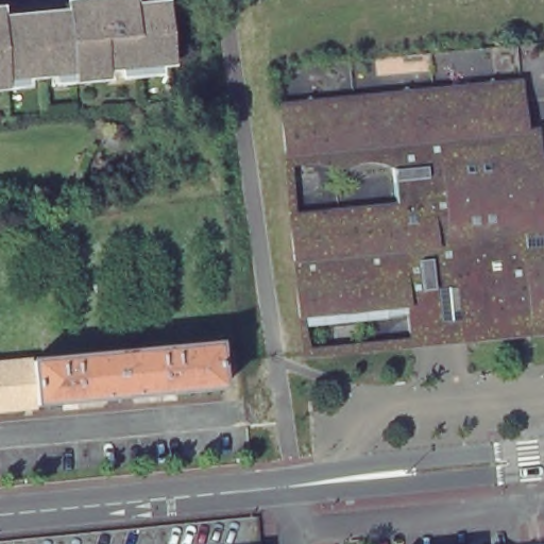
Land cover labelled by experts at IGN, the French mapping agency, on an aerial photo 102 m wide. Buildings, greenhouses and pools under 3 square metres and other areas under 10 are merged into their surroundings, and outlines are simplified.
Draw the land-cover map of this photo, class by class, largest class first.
<instances>
[{"label":"impervious surface","instance_id":"1","mask_svg":"<svg viewBox=\"0 0 544 544\"><path fill-rule=\"evenodd\" d=\"M0 4H9L15 13H23L64 9L68 6V0H0ZM244 11L242 0H225L219 26V32L225 36L221 40L223 55L225 66L230 68L228 89L234 106L238 115V134L234 140L238 145L240 181L253 249V283L259 317V340L264 342V359L257 372L261 374L264 385L270 389L272 410L268 414V421H244L242 395L234 402H227L221 389L187 391L179 393V397L162 395V391H140L119 400L100 397L96 404L98 408L64 410L60 404H49L32 412L0 414V544H544V366H536L531 361L523 370L519 378L508 383L499 380L493 374H476L468 370V351L463 342L414 346L412 355L414 376L395 380L389 387L380 383L351 385L346 372H319L308 368L302 359L285 357L287 332L276 304L270 264V240L264 219V200L253 145V128L249 119L251 89L244 85L236 30L240 13ZM291 376H302L315 380L336 383L344 400V406L338 408L334 414L319 412L308 417L312 453L308 457H300L295 444V419L289 380ZM506 414H510L512 421H516L523 427L521 438H502L499 425ZM393 419L410 436V440L404 446H391L385 440V429ZM261 429L268 431L270 444L264 457L259 461H253V455L244 448V442H249V438L253 436H259ZM206 451L217 453L219 465L210 470H200L198 465H191V461ZM172 455L183 459L181 476L166 474L164 459ZM134 457H151L155 463V474H151L149 478L132 476L125 463ZM91 465H98L104 478L60 480L53 476L57 470ZM536 51V45L531 43H525L523 49L493 47L448 53H442L434 45L419 55L376 60V66L370 62L357 64L355 68L332 66L323 70L315 66L300 70L298 77H293L291 83L283 89L281 100H332L370 94L425 91L438 87L459 89L482 83L521 81L525 85L531 128L540 130L544 147V60H529V53ZM353 172L346 174V179L355 181L357 185V189L351 196L329 193L323 189V185L319 181V174L310 166L293 168V176L298 208L300 213H321L393 204L395 198L391 193V164L359 162L351 168ZM410 336L406 332L402 317L376 321L374 334L363 336L366 342L404 340Z\"/></svg>","mask_w":544,"mask_h":544},{"label":"building","instance_id":"2","mask_svg":"<svg viewBox=\"0 0 544 544\"><path fill-rule=\"evenodd\" d=\"M179 68V30L174 17V0H68V6L64 9L23 13H15L9 4H0V91L11 94L36 87L38 81H51L53 87L62 89L72 85H119L138 79H162L164 83H168L170 70ZM281 117L285 125L278 128V136L281 147L287 153L289 174L293 176V168L310 166L319 174V181L323 185L329 179V168H340L346 174L353 172L351 168L359 162L391 164V193L395 198L393 204L321 213H300L298 208L291 210V230H287V247L291 253V264H295V278L302 302L303 360L310 361L315 357H323V361L334 363L338 355H359L363 359L374 351H385L389 357L412 355L414 346L463 342L480 340V344H499L506 342L525 340L531 344L536 338H544V147L540 130L531 128L525 85L521 81L482 83L459 89L438 87L425 91L370 94L332 100H281ZM402 317L406 332L410 336L404 340L366 342L312 349L308 340V329L334 323L376 321ZM232 376L230 346L223 340L0 361V414L32 412L49 404H60L64 410L98 408L96 404L100 397L119 400L140 391H162V395L179 397V393L187 391L221 389L230 383Z\"/></svg>","mask_w":544,"mask_h":544},{"label":"herbaceous vegetation","instance_id":"3","mask_svg":"<svg viewBox=\"0 0 544 544\"><path fill-rule=\"evenodd\" d=\"M244 11L240 13L236 30L244 85L251 89L249 119L253 128V145L264 200V219L270 240V264L276 304L287 332L285 357L302 359L308 368L319 372H346L351 385L380 383L389 387L395 380L414 376L412 355L389 357L385 351H374L363 359L359 355H338L334 363L323 361V357H315L310 361L303 360L302 302L295 278V264H291V253L287 247V230H291V210L298 208L293 176L289 174L287 153L281 147L278 136V128L285 125L281 117V106L272 104L268 66L278 55L295 49L315 47L325 40L355 45L363 38H374L378 43H389L427 36L431 32L487 34L514 19H525L529 23L544 26V0H242ZM189 74V81H193L191 91L187 96H193L204 104L219 100L225 108L234 106L228 89L230 68L225 66L223 55L202 57L198 64L183 66ZM119 85H72L62 89L53 87L49 89L51 104H68L70 108H77L81 115L91 113L104 100H111L115 98ZM11 106L15 117H36L40 106L36 87L11 94L0 91V117L4 115V108ZM117 128L113 123L102 121L94 128H87L85 123L77 121L34 125L30 123L28 128L17 132H0V172L28 170L34 176L57 172L62 176H83L96 151V138H115ZM210 159V181L204 185L187 183L181 185L176 191H168L164 196L149 193L128 210L119 206H108L104 215H94L83 225L72 221L62 223L64 234L77 238L81 255V276L85 285L91 287L89 302H83L77 312V321L81 327L79 334L55 336L49 329V323L43 319V315L34 312L36 302H21L15 295H11L6 270L0 266V361L223 340L230 346L232 376L230 383L221 389L227 402H234L242 395L244 421H268V414L272 410L270 389L264 385L261 374L257 372L264 359V342L259 340V317L253 283V249L240 181L227 185L223 181V162L217 153L210 151L206 155ZM210 219L217 221V225L223 232L221 251L232 253L234 259L230 293L221 302H210L193 285L191 274H196V268L202 261L198 253L183 255V251L191 244V238ZM111 236H134L136 240H151L162 244V249L174 266L170 287L174 306L170 310V317L174 321L162 327H145L140 332L123 334H111L96 327L100 312L94 306L98 304V289L94 287V266L102 261V249ZM506 346L519 353L523 370L531 361L536 366H544V338H536L531 344L525 340L506 342ZM468 351V370L476 374H493V355L497 353L499 344H480V340L463 342ZM315 380L302 376H291L289 380L295 419V444L300 457H308L312 453L308 417L319 412L312 404L310 391ZM270 444L268 431L261 429L259 436H253L249 438V442H244V448L253 455V461H259L264 457ZM53 476L60 480L104 478L98 465H91L57 470Z\"/></svg>","mask_w":544,"mask_h":544},{"label":"deciduous trees","instance_id":"4","mask_svg":"<svg viewBox=\"0 0 544 544\"><path fill-rule=\"evenodd\" d=\"M225 0H174V17L179 30V68L170 70L168 83H164L162 79H138L119 85L115 98L111 100V104H119L115 108L117 119L113 123L117 128L115 138H96V151L83 176H62L57 172L34 176L28 170L0 172V266L6 270L11 295H15L21 302H36L34 312L43 315V319L49 323V329L55 336L79 334L81 327L77 321V312L83 302H89L91 287L85 285L81 276V255L77 238L64 234L62 223L72 221L83 225L94 215H104L108 206H119L128 210L149 193L164 196L168 191H176L181 185L187 183L204 185L210 181V159L206 155L210 151L217 153L223 162V181L227 185L240 181L238 145L234 140L238 134V115L234 106L225 108L219 100L204 104L193 96H187L191 91L193 81H189V74L183 66L198 64L202 57L223 55L221 40L225 36L219 32V26ZM525 43H531L536 45V51L529 53V60H544V26L529 23L525 19H514L487 34L431 32L427 36L389 43H378L374 38H363L355 45L325 40L315 47L295 49L278 55L268 66L272 104L281 106V100L283 89L291 83L293 77H298L300 70L315 66L323 70L332 66L355 68L357 64L370 62L376 66V60L419 55L434 45L442 53H448L493 47L523 49ZM323 189L329 193L351 196L357 189V185L355 181L346 179V174L340 168H329V179L323 185ZM223 232L217 225V221L210 219L191 238V244L183 251V255L198 253L202 261L196 268V274H191L193 285L210 302H221L230 293L234 259L232 253L221 251ZM174 266L162 249V244L151 240H136L134 236H111L102 249V261L94 266V287L98 289V304L94 306L100 312L96 327L111 334H123L140 332L145 327H162L174 321L170 317V310L174 306L170 287ZM376 321L334 323L308 329V340L312 349L366 342L363 336L374 334ZM493 374L499 380L508 383L519 378L523 370L519 353L506 346V342L499 344L497 353L493 355ZM191 465H198L200 470H210L219 465L217 453L206 451L191 461ZM166 474L181 476L183 459L172 455L164 459ZM132 476L149 478L151 474H155V463L151 457H134L125 463Z\"/></svg>","mask_w":544,"mask_h":544},{"label":"brushwood","instance_id":"5","mask_svg":"<svg viewBox=\"0 0 544 544\"><path fill-rule=\"evenodd\" d=\"M49 89L53 87L51 81H38L36 87L40 106L36 117H15L11 106L4 108V115L0 117V132H17L28 128L30 123L34 125L77 121L85 123L87 128H94L102 121L113 123L117 119L115 108L119 104H111V100H104L91 113L81 115L77 108H70L68 104H51Z\"/></svg>","mask_w":544,"mask_h":544},{"label":"coniferous trees","instance_id":"6","mask_svg":"<svg viewBox=\"0 0 544 544\"><path fill-rule=\"evenodd\" d=\"M310 391L312 404L319 412L334 414L338 408L344 406V400L336 383L315 380ZM523 427L516 421H512L510 414H506L499 425L502 438H521ZM385 440L391 446H404L410 440V436L393 419L385 429Z\"/></svg>","mask_w":544,"mask_h":544}]
</instances>
